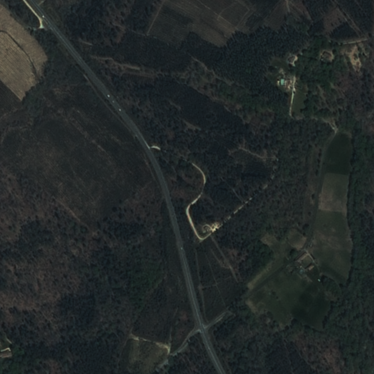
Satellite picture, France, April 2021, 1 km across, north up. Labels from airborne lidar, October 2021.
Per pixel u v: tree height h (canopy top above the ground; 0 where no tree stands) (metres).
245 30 0
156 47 14
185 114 12
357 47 10
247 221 8
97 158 0
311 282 0
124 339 20
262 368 22
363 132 20
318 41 18
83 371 24
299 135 8
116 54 11
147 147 0
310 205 0
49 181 0
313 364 9
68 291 11
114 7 17
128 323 9
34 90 16
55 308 6
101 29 0
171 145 21
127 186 0
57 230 8
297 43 18
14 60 0
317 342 15
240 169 13
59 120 0
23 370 23
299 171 14
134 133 0
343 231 0
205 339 0
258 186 0
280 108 17
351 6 0
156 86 11
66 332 15
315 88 19
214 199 16
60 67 18
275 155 7
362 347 21
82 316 9
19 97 0
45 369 18
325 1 0
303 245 0
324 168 0
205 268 7
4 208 7
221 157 14
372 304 24
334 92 18
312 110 18
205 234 6
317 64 16
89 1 9
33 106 14
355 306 23
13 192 7
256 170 8
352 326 22
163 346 0
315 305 0
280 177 12
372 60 13
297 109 0
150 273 15
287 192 14
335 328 24
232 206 17
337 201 0
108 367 25
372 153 28
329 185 0
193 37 13
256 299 0
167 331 7
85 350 25
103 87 0
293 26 14
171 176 28
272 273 0
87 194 0
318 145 13
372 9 0
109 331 14
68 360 12
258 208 10
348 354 28
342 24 10
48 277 12
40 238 22
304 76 12
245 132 12
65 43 0
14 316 26
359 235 23
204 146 0
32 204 9
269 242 0
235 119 12
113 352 22
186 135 0
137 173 6
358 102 9
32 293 7
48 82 11
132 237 14
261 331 21
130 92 9
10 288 7
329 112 18
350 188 12
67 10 11
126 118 0
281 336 14
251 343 7
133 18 10
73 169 0
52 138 0
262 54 17
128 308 8
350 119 27
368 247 24
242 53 19
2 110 0
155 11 18
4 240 9
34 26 12
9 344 0
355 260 19
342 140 0
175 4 0
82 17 10
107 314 13
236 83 15
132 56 14
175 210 6
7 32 0
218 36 0
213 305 6
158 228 8
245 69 20
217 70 18
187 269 0
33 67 0
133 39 13
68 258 22
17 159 0
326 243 0
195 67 11
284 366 20
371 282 25
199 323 0
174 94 14
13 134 0
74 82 14
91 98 15
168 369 16
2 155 0
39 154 0
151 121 11
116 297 10
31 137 0
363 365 16
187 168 22
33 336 19
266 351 23
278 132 18
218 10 0
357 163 24
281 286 0
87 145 0
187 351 10
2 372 15
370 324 11
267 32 16
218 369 0
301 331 20
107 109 10
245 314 25
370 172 9
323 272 0
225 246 15
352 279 19
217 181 16
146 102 16
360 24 0
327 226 0
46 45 22
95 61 10
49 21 0
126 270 7
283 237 15
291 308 0
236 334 17
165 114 14
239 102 18
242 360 20
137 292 10
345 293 16
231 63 19
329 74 11
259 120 6
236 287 6
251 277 13
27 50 0
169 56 14
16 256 13
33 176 0
